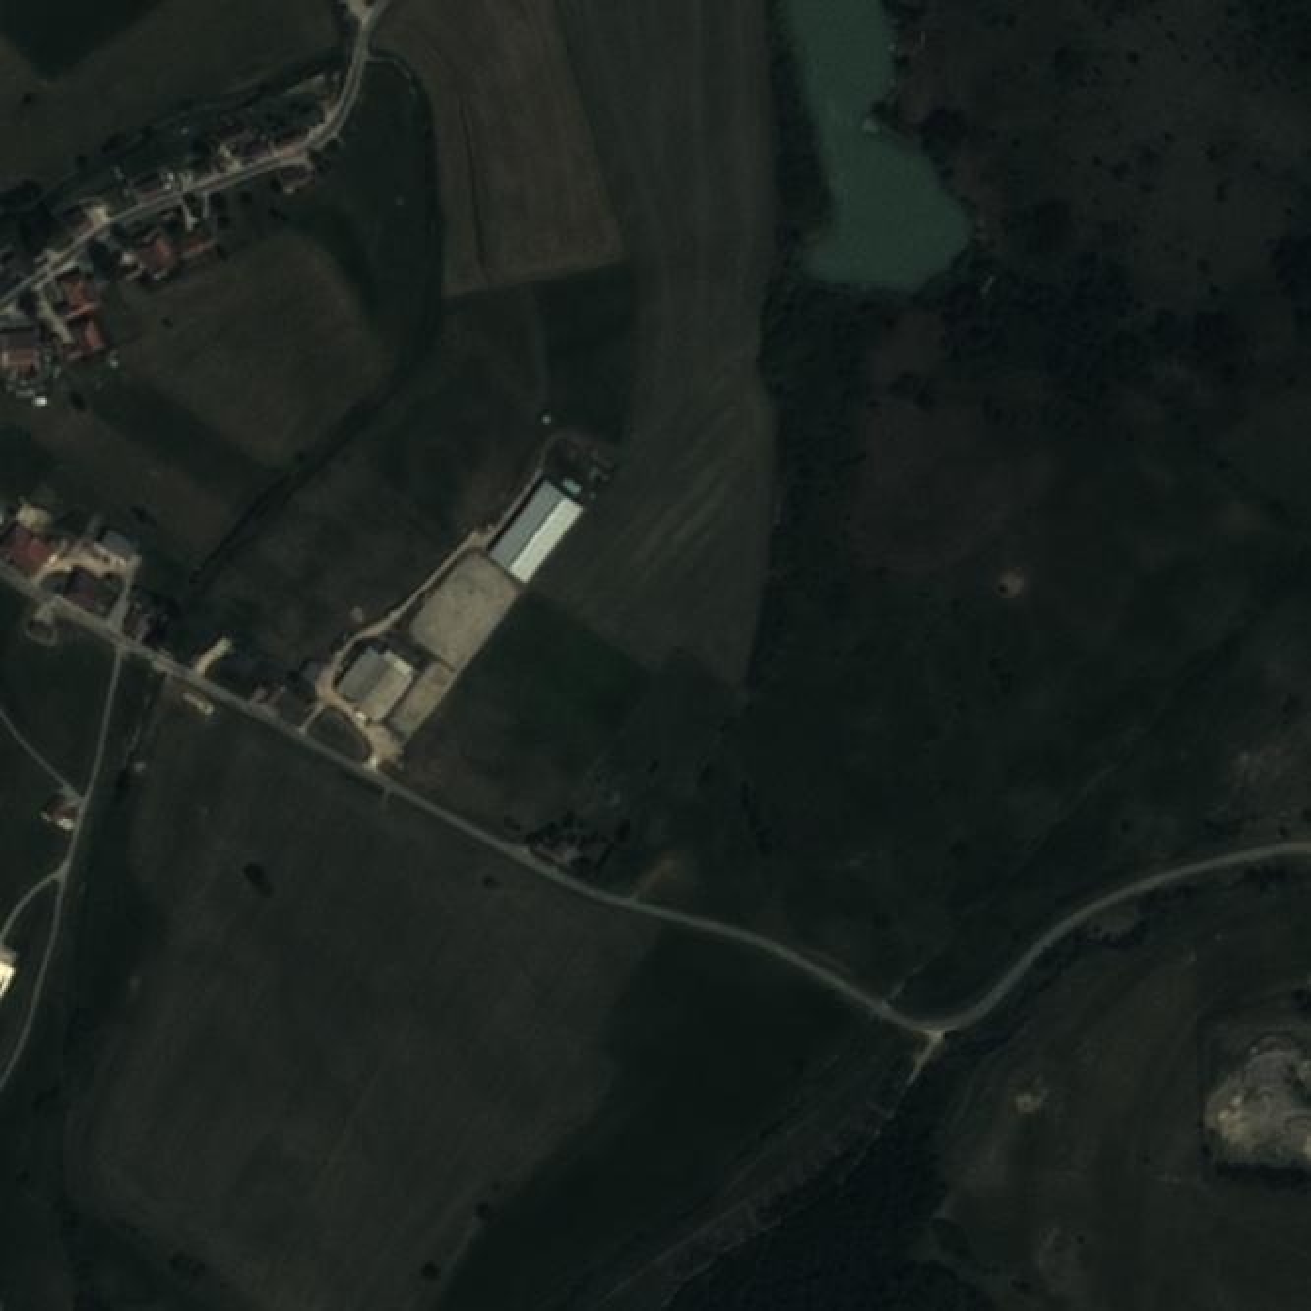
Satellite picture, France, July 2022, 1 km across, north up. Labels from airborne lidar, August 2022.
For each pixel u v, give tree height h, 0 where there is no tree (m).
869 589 0
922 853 0
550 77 0
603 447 0
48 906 0
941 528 0
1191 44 0
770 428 0
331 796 0
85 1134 0
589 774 0
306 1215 0
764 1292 6
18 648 0
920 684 0
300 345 0
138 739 0
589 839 6
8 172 0
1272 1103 0
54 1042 0
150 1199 0
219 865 0
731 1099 0
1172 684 0
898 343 0
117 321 0
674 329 0
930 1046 0
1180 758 0
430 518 0
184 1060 0
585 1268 0
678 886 0
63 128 0
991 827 0
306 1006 0
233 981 0
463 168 0
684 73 0
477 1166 0
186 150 0
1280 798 0
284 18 0
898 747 0
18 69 0
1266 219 0
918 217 0
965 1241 7
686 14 0
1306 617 0
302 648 0
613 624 0
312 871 0
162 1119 0
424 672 0
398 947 0
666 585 0
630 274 0
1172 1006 0
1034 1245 0
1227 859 0
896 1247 7
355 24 0
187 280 0
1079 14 0
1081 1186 0
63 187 0
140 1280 0
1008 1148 0
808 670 0
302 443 0
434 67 0
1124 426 0
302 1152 0
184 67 0
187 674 0
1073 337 10
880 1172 9
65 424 0
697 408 0
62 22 0
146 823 0
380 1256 0
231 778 0
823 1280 8
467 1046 0
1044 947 0
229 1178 0
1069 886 0
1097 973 0
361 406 0
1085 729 0
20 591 0
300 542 0
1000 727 0
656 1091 0
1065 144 0
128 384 0
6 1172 0
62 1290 0
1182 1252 0
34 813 0
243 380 0
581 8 0
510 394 0
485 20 0
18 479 0
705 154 0
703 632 0
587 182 0
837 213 0
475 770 0
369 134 0
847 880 0
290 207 0
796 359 0
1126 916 0
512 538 0
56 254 0
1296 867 0
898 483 0
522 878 0
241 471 0
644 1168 0
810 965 0
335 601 0
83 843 0
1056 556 0
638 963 0
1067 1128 0
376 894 0
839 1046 0
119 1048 0
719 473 0
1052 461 0
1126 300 12
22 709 0
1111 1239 0
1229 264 0
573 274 0
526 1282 0
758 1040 0
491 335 0
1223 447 0
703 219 0
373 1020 0
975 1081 0
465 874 0
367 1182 0
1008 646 0
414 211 0
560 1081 0
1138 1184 0
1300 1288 0
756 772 0
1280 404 0
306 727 0
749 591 0
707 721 0
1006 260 0
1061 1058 0
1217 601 0
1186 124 0
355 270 0
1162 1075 0
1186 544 0
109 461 0
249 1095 0
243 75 0
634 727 0
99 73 0
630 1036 0
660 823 0
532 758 0
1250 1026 0
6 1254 0
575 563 0
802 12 0
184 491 0
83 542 0
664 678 0
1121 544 0
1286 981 0
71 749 0
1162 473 0
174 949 0
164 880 0
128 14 0
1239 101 0
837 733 0
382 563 0
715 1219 0
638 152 0
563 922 0
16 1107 0
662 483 0
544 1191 0
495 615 0
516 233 0
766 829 12
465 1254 0
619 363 0
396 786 0
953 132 15
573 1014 0
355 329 0
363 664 0
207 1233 0
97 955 0
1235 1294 0
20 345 0
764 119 0
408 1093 0
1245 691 0
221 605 0
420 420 0
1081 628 0
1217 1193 0
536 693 0
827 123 0
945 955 0
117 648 0
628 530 0
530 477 0
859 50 0
